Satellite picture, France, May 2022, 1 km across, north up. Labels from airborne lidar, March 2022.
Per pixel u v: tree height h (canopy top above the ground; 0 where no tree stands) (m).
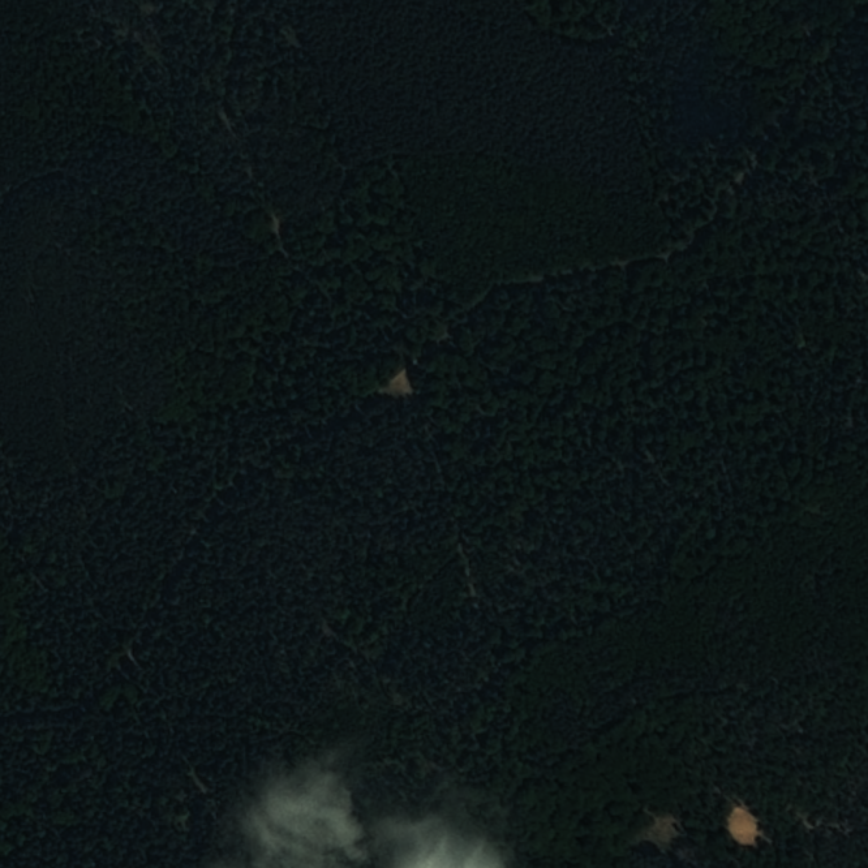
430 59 30
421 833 24
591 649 19
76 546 29
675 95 27
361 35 27
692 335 12
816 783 24
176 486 30
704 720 24
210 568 22
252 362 13
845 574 22
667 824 0
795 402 10
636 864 28
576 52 27
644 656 22
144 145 29
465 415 22
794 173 25
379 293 29
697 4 28
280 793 35
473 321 27
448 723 28
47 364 19
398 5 28
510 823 25
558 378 24
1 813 21
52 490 23
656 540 11
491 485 10
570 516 27
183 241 34
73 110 14
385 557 10
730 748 29
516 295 25
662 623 20
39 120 15
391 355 33
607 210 19
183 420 16
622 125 25
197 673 28
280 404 14
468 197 13
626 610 14
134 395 22
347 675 32
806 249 10
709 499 9
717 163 18
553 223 16
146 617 0
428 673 6
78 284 20
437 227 12
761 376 13
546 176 20
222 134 24
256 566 25
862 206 26
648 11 18
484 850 29
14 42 19
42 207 19
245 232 28
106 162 31
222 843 7
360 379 29
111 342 20
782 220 13
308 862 32
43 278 18
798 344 9
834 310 11
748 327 12
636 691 25
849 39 23
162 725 28
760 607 22
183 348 18
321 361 23
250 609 28
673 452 23
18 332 16
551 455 25
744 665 20
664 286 23
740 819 0
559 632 25
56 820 26
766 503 25
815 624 22
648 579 27
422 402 23
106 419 20
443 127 28
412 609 8
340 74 25
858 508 20
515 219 18
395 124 26
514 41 28
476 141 27
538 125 24
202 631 31
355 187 29
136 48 24
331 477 9
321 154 16
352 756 7
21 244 18
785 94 30
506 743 32
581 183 19
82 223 25
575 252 16
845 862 25
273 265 20
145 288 19
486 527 15
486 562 33
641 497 9
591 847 38
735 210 8
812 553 20
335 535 29
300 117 18
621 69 30
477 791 29
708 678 24
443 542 12
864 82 25
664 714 29
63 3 14
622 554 10
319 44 28
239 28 26
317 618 28
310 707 28
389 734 8
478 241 18
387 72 31
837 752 24
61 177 18
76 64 17
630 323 9
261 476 28
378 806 27
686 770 27
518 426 27
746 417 27
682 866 32
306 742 7
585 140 25
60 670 27
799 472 26
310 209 18
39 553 26
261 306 18
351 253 28
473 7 21
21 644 17
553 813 33
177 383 12
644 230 18
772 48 24
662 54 27
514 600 30
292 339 29
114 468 26
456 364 28
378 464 36
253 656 30
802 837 28
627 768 26
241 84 29
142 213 37
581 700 22
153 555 29
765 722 31
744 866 32
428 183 16
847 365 24
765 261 27
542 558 29
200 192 20
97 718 23
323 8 26
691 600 17
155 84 27
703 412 26
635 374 25
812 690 28
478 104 31
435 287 8
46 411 16
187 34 22
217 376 13
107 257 23
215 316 26
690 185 15
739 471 14
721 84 26
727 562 18
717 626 22
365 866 8
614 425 11
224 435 28
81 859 29
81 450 19
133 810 26
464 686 30
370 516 36
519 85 31
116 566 29
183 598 27
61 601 27
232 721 27
